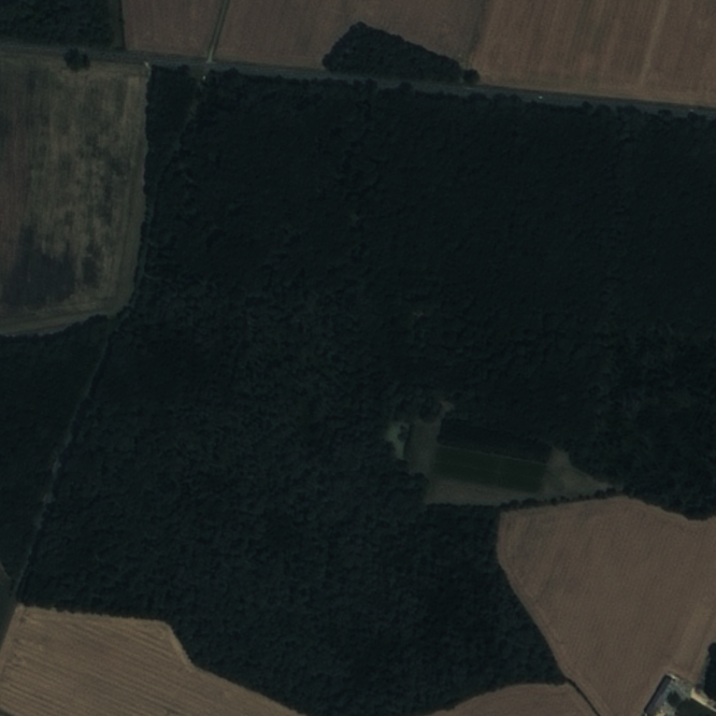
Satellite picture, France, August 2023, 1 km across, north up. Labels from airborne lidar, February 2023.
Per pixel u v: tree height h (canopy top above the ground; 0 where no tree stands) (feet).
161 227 57
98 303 0
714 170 58
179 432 69
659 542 0
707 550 0
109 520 83
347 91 65
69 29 87
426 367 31
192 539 60
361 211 50
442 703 62
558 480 0
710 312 66
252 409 57
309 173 54
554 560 0
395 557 21
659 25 0
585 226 53
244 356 76
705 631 0
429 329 21
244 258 50
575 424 63
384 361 70
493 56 0
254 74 0
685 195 76
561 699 0
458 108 49
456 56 0
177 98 61
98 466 60
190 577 71
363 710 69
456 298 56
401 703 66
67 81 0
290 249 54
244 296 69
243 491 49
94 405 61
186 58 0
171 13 0
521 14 0
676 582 0
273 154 70
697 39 0
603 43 0
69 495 28
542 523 0
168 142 56
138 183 0
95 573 46
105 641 0
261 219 47
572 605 0
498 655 25
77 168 0
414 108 52
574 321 77
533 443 27
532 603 0
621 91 0
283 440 67
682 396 78
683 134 63
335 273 52
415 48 41
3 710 0
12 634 0
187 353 39
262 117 79
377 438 71
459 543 35
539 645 62
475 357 58
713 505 61
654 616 0
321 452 20
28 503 58
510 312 56
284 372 65
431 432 0
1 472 74
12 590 17
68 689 0
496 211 44
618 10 0
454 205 58
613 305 81
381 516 49
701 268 68
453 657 23
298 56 0
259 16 0
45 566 71
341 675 64
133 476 82
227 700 0
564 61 0
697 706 0
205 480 21
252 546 39
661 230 59
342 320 61
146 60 0
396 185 57
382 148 63
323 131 58
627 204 75
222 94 71
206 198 63
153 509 47
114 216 0
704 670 0
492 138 43
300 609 76
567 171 56
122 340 64
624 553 0
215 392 62
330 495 77
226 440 42
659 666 0
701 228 58
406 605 59
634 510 0
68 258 0
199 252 72
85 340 63
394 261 63
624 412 76
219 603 69
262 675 63
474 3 0
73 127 0
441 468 0
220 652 74
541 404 59
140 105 0
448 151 52
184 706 0
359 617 50
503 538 0
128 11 0
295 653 78
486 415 23
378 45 61
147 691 0
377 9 0
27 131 0
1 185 0
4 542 51
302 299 56
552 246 47
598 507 0
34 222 0
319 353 62
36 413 55
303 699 62
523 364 62
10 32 60
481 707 0
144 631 0
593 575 0
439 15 0
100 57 0
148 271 45
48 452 54
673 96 0
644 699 0
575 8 0
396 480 54
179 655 0
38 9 89
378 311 66
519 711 0
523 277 57
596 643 0
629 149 71
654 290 64
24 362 69
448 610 33
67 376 68
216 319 68
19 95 0
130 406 77
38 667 0
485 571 67
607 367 76
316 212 50
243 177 56
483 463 0
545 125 49
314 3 0
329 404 66
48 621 0
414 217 60
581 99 0
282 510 71
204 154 51
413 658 63
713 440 22
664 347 70
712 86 0
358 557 58
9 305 0
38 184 0
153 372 63
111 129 0
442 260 39
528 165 58
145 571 72
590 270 58
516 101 56
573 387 48
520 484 0
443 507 24
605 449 71
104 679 0
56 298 0
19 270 0
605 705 0
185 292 69
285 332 70
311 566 69
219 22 0
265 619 66
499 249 57
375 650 30
